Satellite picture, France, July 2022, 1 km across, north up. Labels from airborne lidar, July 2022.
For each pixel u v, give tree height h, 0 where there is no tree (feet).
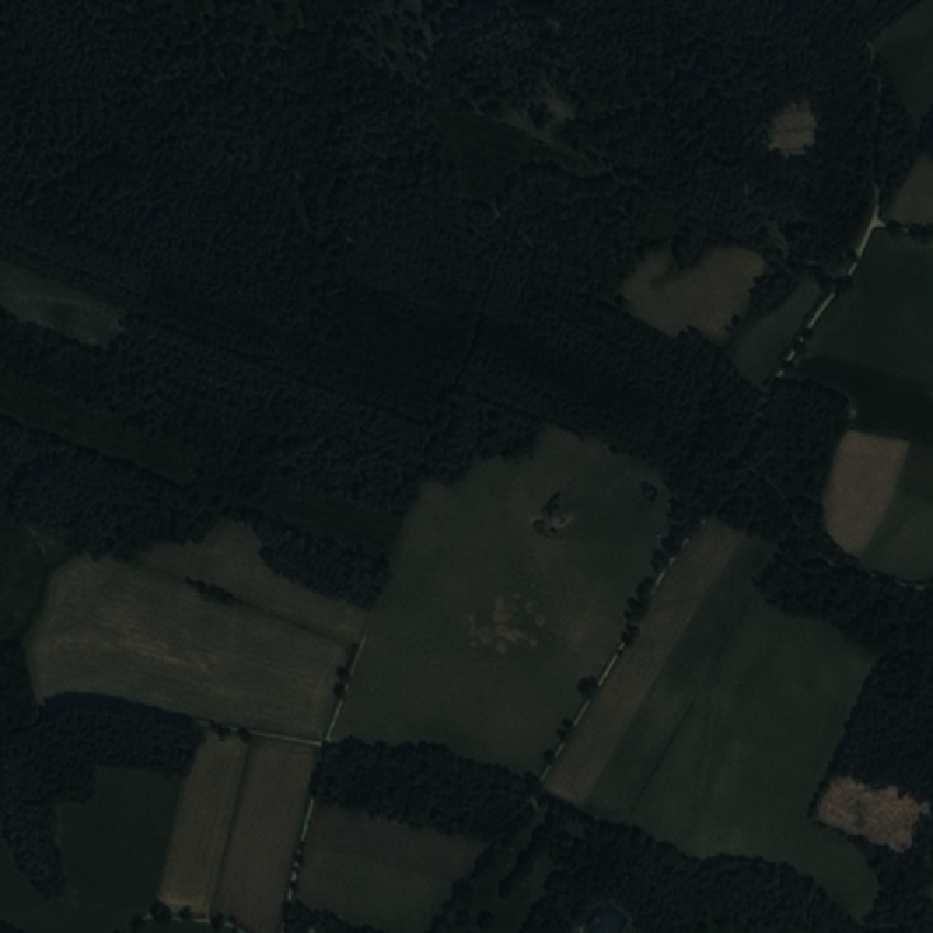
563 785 0
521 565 0
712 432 73
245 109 73
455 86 63
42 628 0
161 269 56
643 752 0
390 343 42
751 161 65
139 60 63
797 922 76
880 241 0
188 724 78
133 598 0
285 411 59
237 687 0
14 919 0
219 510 26
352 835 0
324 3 77
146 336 65
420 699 0
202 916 0
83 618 0
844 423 68
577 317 65
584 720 0
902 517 0
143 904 0
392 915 0
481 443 88
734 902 62
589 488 0
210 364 52
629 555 0
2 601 0
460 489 0
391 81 48
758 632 0
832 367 0
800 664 0
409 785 62
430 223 52
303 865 39
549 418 76
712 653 0
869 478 0
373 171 60
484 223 71
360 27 42
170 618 0
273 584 0
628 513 0
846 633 59
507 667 0
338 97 73
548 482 0
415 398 38
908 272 0
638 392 60
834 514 0
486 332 61
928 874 70
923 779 75
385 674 0
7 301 0
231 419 52
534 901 0
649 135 63
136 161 76
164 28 24
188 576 0
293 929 45
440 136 36
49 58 82
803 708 0
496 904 0
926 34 0
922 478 0
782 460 67
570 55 56
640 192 69
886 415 0
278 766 0
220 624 0
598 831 59
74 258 45
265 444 26
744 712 0
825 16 96
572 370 68
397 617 0
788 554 73
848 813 0
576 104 20
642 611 57
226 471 30
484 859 42
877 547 0
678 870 87
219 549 0
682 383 60
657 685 0
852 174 62
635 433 78
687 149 80
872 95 51
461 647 0
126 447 0
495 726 0
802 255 59
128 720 85
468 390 105
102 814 0
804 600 66
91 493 81
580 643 0
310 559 78
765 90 73
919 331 0
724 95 79
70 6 62
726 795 0
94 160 87
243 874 0
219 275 87
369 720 0
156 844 0
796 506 59
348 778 64
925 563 0
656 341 65
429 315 42
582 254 73
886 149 65
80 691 0
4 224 49
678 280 0
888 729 80
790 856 0
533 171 81
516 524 0
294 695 0
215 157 83
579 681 0
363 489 74
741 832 0
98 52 73
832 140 82
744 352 0
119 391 73
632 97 37
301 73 81
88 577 0
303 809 0
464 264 58
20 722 82
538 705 0
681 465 51
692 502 63
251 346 29
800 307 0
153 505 54
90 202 63
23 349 57
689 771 0
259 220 93
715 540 0
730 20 85
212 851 0
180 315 37
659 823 0
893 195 18
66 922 0
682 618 0
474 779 61
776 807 0
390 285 55
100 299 28
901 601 50
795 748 0
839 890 0
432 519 0
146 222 84
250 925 0
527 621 0
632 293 0
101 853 0
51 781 72
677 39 72
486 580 0
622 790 0
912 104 0
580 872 72
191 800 0
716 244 37
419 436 52
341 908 0
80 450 44
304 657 0
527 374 64
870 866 39
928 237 50
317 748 0
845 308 0
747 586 0
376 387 32
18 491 66
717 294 0
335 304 50
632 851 67
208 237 88
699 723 0
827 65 81
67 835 0
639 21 77
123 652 0
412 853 0
